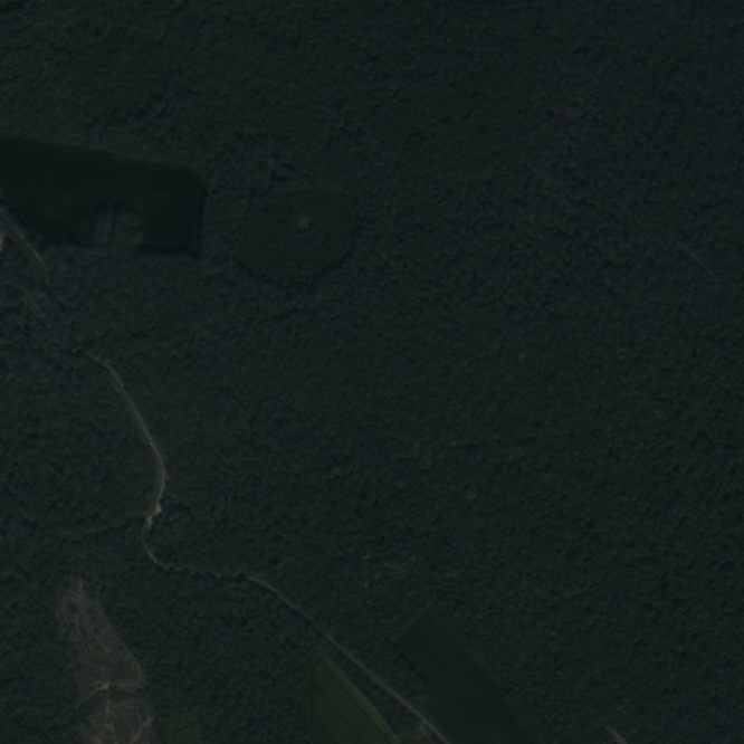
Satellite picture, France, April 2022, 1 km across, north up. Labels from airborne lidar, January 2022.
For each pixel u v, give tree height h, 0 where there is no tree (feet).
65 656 43
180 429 63
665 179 69
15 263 69
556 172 89
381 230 60
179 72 74
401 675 55
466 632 65
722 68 80
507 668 56
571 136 70
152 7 62
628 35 61
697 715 73
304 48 61
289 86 62
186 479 57
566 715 71
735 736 76
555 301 54
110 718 0
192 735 0
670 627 71
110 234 51
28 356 64
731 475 77
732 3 65
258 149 72
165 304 68
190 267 65
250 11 58
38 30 68
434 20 66
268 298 72
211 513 68
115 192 0
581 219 52
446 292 55
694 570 81
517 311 58
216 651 53
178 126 79
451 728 0
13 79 69
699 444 82
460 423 58
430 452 53
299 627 62
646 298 71
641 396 62
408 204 65
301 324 60
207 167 62
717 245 68
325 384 52
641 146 71
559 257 61
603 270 66
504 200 56
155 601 63
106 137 61
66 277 64
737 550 76
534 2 72
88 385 70
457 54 51
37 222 0
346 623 59
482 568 64
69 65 63
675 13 63
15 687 57
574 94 65
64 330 83
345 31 63
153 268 82
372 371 52
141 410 49
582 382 69
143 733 0
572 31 63
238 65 77
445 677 0
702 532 68
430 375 58
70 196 0
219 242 73
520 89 63
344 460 59
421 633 0
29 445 64
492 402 63
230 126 69
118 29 21
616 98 66
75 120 71
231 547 55
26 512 77
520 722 0
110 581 48
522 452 45
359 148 65
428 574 71
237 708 60
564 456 84
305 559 57
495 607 56
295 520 71
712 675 75
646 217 66
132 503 53
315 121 62
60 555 54
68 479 72
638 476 69
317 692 0
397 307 55
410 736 0
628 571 68
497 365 76
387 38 60
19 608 60
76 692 31
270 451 59
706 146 62
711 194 68
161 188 0
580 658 62
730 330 61
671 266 82
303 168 64
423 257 65
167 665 59
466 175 52
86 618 0
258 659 61
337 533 71
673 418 67
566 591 63
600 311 62
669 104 55
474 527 66
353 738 0
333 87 67
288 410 64
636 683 77
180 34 61
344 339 49
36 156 0
